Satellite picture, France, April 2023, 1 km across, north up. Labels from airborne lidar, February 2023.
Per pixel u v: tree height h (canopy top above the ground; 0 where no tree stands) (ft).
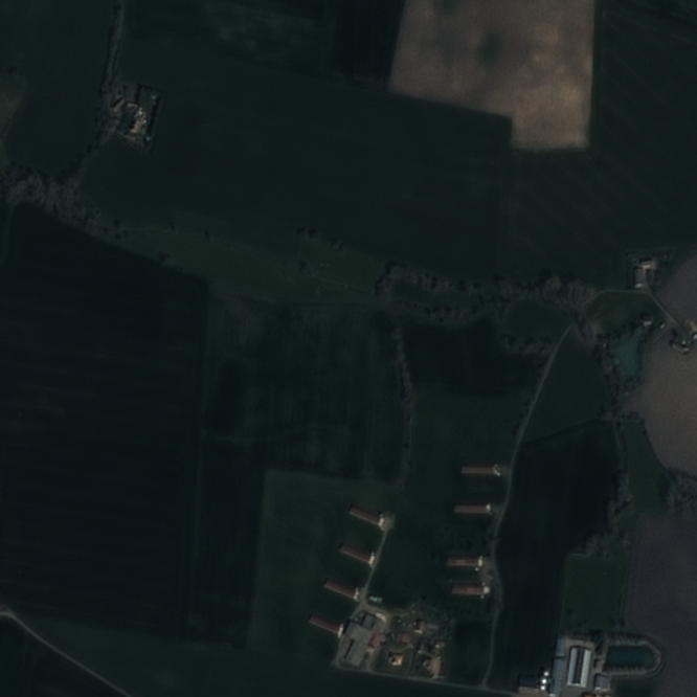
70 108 0
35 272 0
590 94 0
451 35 0
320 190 0
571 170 0
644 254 0
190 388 0
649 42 0
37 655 0
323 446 0
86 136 0
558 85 0
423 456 0
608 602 0
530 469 0
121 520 0
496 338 0
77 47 0
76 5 0
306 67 0
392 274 62
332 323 0
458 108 0
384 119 0
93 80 0
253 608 0
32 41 0
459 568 0
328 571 0
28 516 0
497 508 0
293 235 0
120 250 0
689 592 0
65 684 0
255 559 0
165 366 0
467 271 0
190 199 0
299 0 0
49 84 0
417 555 0
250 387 0
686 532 0
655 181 0
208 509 0
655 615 0
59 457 0
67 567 0
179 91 0
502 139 0
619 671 40
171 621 0
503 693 0
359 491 0
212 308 0
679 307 0
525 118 0
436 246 0
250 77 0
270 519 0
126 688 0
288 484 0
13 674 0
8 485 0
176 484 0
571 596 0
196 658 0
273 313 0
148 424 0
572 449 0
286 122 0
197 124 0
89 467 0
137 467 0
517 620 0
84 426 0
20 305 0
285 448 0
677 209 0
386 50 0
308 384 0
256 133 0
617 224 0
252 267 0
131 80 0
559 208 0
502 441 0
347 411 0
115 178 0
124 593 0
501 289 66
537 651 0
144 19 0
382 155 0
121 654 0
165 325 0
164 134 0
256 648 0
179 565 0
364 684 0
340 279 0
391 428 0
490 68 0
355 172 0
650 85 0
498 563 0
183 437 0
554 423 0
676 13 0
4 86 0
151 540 0
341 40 0
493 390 0
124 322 0
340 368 0
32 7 0
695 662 0
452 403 0
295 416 0
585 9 0
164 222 0
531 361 0
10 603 0
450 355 0
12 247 0
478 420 0
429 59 0
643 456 0
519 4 0
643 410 0
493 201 0
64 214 56
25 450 0
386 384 0
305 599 0
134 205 0
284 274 0
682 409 0
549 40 0
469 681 0
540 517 0
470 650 0
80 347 0
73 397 0
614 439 0
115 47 38
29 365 0
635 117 0
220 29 0
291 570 0
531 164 0
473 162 0
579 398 0
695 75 0
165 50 0
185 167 0
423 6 0
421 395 0
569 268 0
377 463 0
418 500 0
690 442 0
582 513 0
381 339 0
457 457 0
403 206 0
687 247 0
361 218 0
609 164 0
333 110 0
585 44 0
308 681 0
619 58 0
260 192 0
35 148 0
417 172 0
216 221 0
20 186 104
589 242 0
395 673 0
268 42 0
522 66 0
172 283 0
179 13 0
